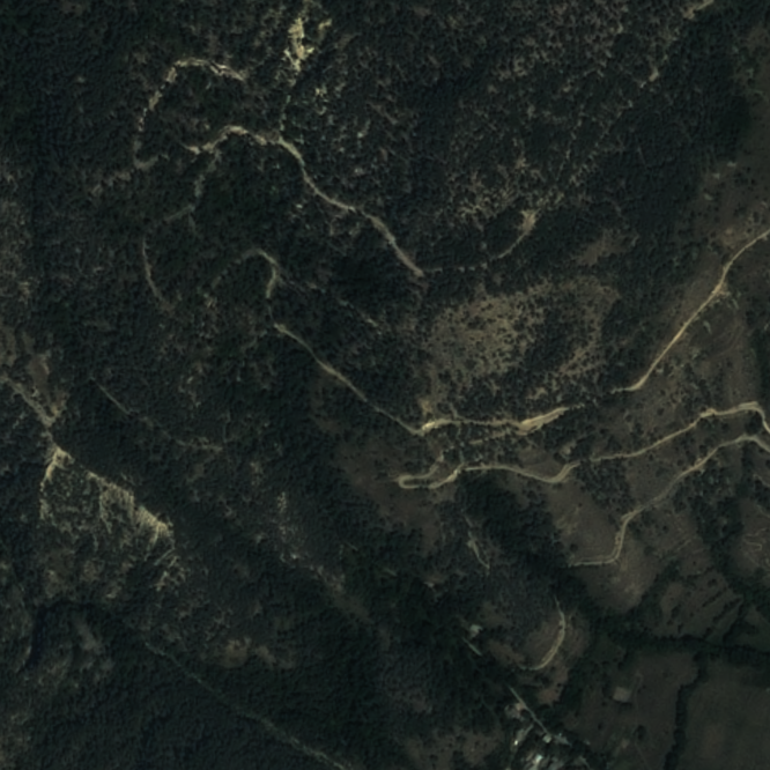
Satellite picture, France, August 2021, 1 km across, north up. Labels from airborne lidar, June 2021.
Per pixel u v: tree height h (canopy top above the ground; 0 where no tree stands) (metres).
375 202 8
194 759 21
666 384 0
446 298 8
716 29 24
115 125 22
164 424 14
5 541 17
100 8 18
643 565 0
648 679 0
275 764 18
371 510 10
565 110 11
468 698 16
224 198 9
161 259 7
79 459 6
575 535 0
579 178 10
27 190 10
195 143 13
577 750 12
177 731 13
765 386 6
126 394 12
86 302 12
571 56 8
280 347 20
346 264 22
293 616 16
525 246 9
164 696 15
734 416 0
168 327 12
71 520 7
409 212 10
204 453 10
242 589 11
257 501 10
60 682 7
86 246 9
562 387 7
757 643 0
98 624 23
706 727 0
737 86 9
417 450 8
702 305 0
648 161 16
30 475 10
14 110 14
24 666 8
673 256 9
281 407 10
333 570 10
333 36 13
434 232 12
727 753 0
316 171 9
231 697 15
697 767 0
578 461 9
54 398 6
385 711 17
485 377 6
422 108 18
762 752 0
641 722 0
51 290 19
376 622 7
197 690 13
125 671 8
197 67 7
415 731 7
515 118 10
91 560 6
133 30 19
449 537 10
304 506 12
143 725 9
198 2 16
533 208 9
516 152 8
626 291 12
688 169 15
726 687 0
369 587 12
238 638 8
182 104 20
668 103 15
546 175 9
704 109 20
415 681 14
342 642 13
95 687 13
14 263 9
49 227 7
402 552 24
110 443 16
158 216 8
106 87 22
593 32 10
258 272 14
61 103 19
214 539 9
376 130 12
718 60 21
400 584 18
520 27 9
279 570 19
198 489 8
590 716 0
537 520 17
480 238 12
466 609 17
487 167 13
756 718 0
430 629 18
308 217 6
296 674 15
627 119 10
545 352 11
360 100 7
